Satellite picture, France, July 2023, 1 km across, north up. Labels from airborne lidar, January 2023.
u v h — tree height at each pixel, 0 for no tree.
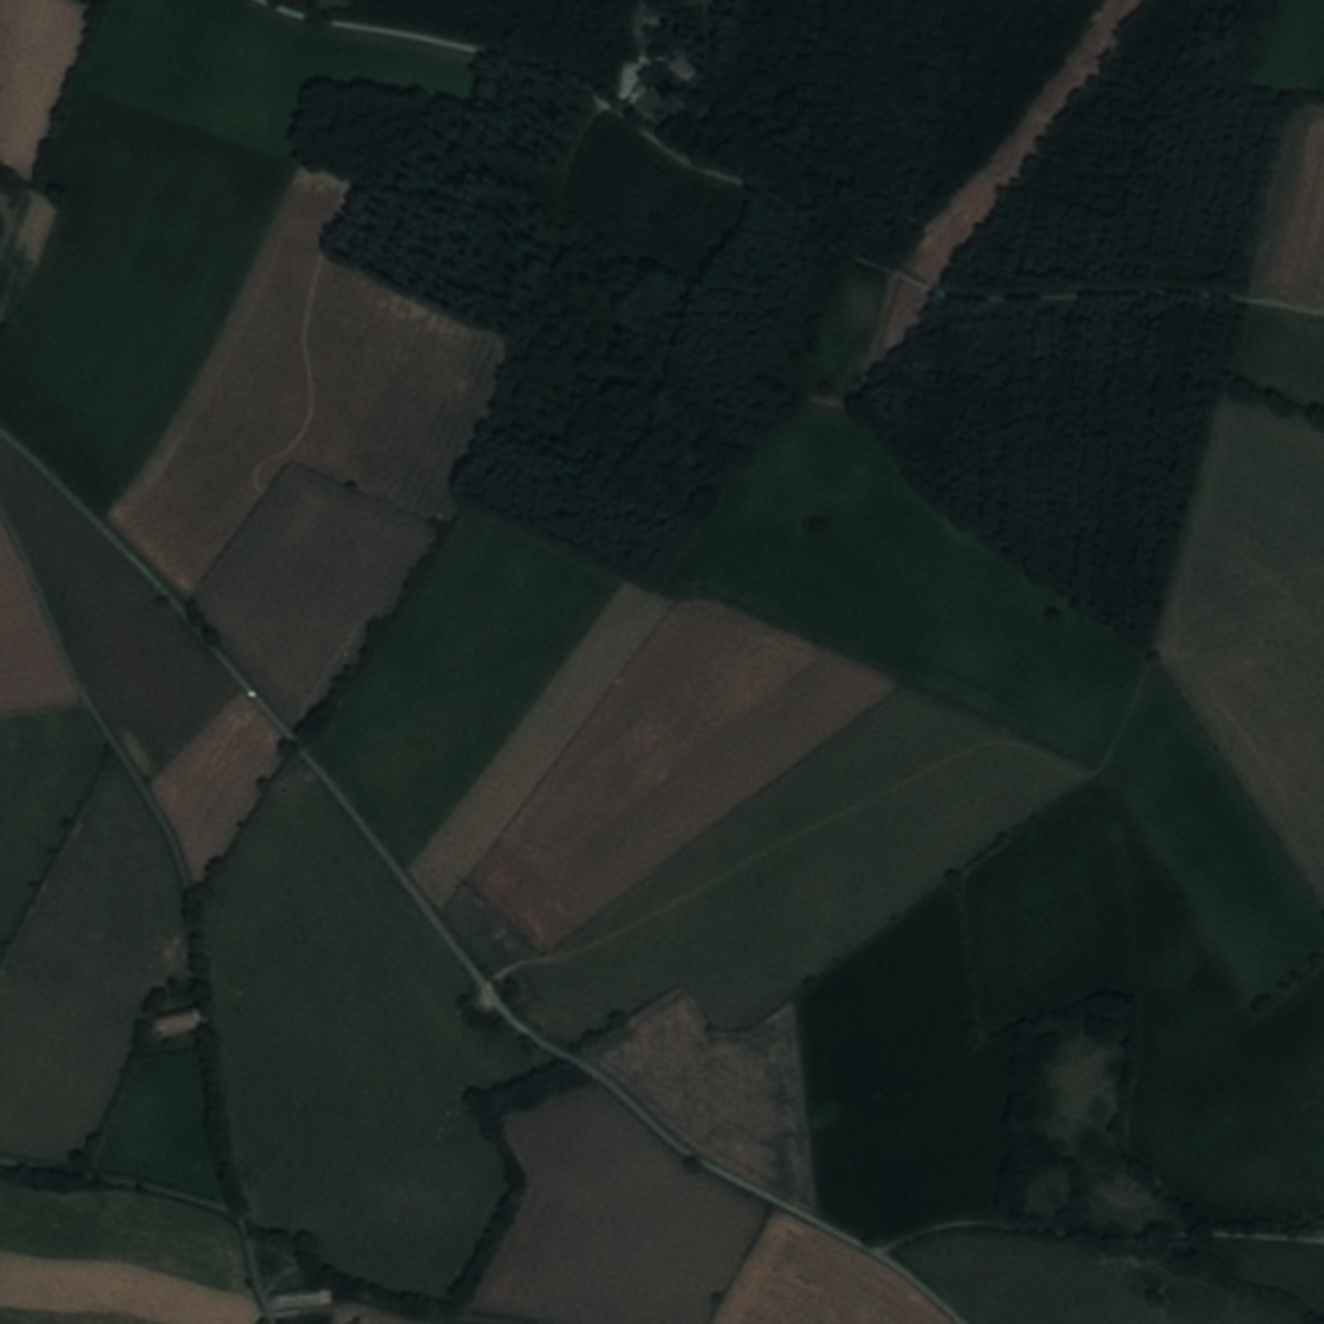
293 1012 0
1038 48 11
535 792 0
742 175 9
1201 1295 0
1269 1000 12
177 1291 0
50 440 0
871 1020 0
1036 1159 7
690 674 0
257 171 0
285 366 0
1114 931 0
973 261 18
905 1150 0
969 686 0
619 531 27
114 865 0
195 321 0
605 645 0
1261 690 0
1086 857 0
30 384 0
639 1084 0
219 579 0
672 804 0
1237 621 0
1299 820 0
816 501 0
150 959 0
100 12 10
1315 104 11
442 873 0
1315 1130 0
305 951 0
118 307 0
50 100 0
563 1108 0
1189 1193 0
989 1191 0
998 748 0
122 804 0
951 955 0
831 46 23
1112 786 0
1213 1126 0
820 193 16
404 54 0
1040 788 0
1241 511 0
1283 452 0
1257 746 0
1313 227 0
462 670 0
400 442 0
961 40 15
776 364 8
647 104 0
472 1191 0
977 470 18
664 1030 0
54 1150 0
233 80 0
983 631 0
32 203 0
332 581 0
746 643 0
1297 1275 0
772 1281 0
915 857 0
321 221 0
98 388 0
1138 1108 0
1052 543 18
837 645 0
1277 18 13
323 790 0
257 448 0
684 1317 0
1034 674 0
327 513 0
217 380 0
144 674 0
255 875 0
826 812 0
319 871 0
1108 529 17
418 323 0
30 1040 0
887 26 23
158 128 0
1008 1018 0
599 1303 0
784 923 0
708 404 25
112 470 0
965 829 0
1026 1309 0
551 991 0
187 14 0
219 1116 16
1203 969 0
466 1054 0
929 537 0
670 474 17
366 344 0
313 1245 13
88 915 0
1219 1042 0
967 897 0
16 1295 0
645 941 0
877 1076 0
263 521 0
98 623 0
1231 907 0
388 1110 0
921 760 0
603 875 0
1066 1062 0
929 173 14
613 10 8
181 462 0
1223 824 0
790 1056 0
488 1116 19
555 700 0
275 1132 0
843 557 0
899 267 16
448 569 0
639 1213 0
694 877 0
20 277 0
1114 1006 18
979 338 17
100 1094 0
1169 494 15
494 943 0
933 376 15
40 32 0
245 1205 13
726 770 0
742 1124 0
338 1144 0
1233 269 16
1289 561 0
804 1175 0
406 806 0
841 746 0
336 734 0
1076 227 19
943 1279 0
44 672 0
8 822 0
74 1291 0
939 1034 0
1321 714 0
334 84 15
